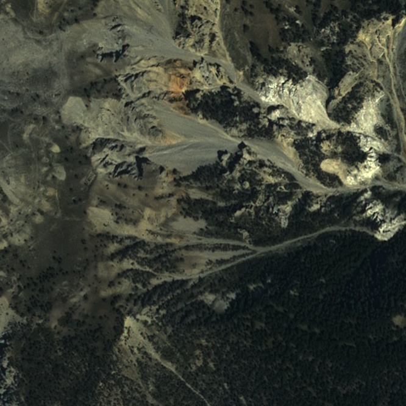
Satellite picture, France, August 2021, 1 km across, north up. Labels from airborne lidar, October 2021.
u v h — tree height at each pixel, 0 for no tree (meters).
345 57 7
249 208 7
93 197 0
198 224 0
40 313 0
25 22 0
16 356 0
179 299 6
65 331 0
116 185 0
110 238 10
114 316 0
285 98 0
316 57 0
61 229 0
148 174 0
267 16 0
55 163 0
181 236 0
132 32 0
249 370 15
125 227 0
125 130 0
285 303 19
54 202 0
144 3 0
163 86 0
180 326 10
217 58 0
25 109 0
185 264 0
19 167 0
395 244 10
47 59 0
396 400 20
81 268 0
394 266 8
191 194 0
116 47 0
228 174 6
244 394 11
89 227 0
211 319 6
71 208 0
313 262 17
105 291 0
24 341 9
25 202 0
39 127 0
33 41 0
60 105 0
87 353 8
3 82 0
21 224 0
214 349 14
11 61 0
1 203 0
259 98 0
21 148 0
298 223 13
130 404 7
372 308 22
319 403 18
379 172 0
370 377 12
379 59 8
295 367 12
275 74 6
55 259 14
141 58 0
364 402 16
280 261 12
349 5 0
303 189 0
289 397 19
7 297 0
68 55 0
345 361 23
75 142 0
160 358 0
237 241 0
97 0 9
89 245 0
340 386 11
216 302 0
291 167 0
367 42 0
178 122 0
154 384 12
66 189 0
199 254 0
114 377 10
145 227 0
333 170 0
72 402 11
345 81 8
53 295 0
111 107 0
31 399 7
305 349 20
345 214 10
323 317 24
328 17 18
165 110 0
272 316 21
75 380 12
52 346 14
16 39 0
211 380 6
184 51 0
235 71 0
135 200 0
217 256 0
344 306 20
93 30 0
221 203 0
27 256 0
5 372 9
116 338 9
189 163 0
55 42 0
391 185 0
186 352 6
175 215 0
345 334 27
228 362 10
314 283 14
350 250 20
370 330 20
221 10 0
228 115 14
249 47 0
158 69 0
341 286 21
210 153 0
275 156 0
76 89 0
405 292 20
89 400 13
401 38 0
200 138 0
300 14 20
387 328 19
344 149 0
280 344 10
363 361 25
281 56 6
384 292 19
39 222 0
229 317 13
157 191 0
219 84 0
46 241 0
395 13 7
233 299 0
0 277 0
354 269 9
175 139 0
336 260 14
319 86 0
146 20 0
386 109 0
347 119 7
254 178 9
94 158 0
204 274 0
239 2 0
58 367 15
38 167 0
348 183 0
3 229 0
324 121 0
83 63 0
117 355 8
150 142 0
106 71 0
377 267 21
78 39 0
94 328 0
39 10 0
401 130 0
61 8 0
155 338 10
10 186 0
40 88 0
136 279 9
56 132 0
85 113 0
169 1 0
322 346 30
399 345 25
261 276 12
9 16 0
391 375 19
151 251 8
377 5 8
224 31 0
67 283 0
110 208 0
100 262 0
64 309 0
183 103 0
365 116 0
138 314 0
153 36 0
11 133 0
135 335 0
